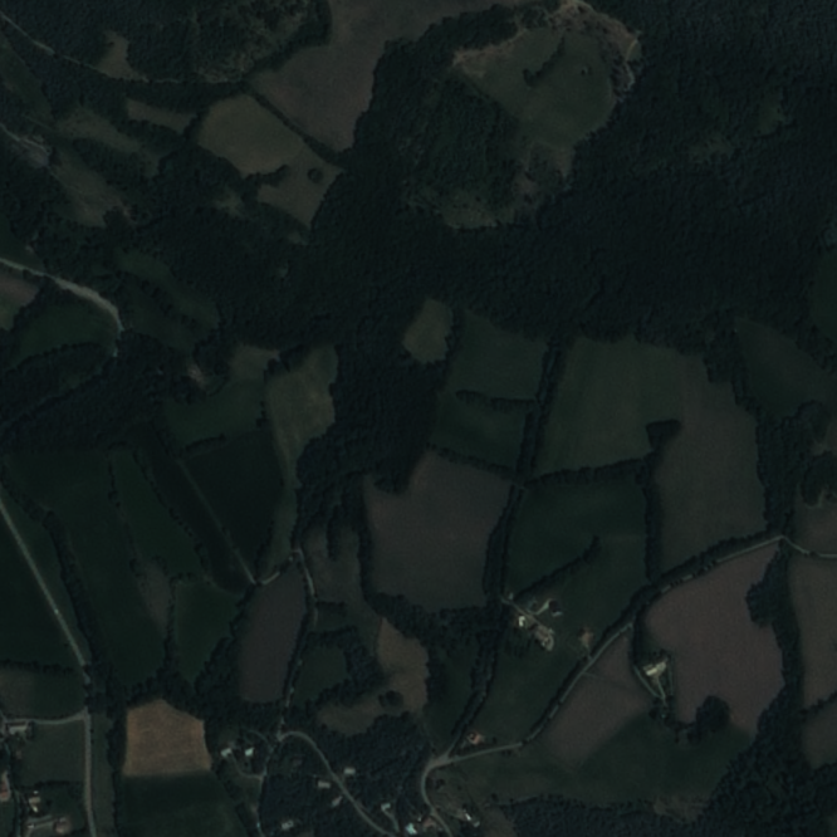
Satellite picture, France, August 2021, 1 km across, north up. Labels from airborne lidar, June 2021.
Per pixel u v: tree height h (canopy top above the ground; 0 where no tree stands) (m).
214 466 0
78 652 0
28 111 10
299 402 0
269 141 0
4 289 0
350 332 20
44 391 20
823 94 26
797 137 17
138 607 0
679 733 8
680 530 0
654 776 0
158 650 0
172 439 17
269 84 0
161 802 0
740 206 13
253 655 0
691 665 0
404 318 17
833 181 20
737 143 15
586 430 0
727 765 0
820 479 11
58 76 16
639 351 0
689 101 22
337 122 0
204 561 11
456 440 0
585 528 0
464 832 10
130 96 13
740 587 0
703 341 8
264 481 0
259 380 0
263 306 18
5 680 0
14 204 20
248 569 0
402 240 24
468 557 0
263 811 12
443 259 24
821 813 17
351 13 0
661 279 22
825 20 14
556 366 10
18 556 0
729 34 12
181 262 16
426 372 17
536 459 10
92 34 13
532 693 0
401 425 20
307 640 11
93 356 16
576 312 20
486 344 0
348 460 23
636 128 16
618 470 11
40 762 0
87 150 15
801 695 10
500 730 0
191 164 16
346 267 20
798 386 0
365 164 19
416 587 0
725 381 9
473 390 0
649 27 11
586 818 10
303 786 10
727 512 0
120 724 10
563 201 24
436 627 11
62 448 22
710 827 10
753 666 0
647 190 20
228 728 12
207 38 9
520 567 0
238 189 13
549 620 0
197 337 0
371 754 15
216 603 0
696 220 19
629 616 14
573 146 0
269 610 0
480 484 0
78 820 0
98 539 0
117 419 24
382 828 8
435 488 0
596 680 0
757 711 0
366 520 12
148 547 0
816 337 24
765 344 0
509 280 22
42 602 0
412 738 9
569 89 0
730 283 24
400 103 17
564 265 23
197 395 20
